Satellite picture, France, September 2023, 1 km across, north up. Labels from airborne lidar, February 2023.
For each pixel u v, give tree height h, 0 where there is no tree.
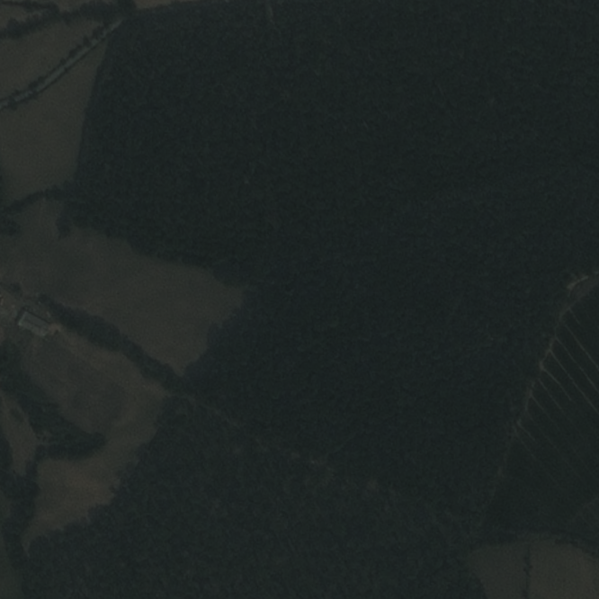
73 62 0
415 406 38
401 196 14
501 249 29
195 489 29
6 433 0
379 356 37
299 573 34
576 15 32
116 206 27
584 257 29
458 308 26
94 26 0
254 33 32
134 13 13
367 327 34
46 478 0
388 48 36
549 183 32
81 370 0
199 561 33
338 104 35
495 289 27
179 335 0
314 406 37
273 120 33
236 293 0
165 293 0
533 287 26
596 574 0
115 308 0
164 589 34
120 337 18
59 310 16
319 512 35
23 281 0
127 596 33
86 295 0
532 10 32
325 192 32
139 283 0
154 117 34
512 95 33
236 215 25
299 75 36
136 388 0
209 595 32
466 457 33
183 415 29
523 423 0
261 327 32
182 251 8
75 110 0
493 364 29
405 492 29
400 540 37
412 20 32
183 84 36
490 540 22
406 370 35
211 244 26
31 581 19
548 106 32
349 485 31
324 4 27
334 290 33
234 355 30
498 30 29
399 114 33
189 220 27
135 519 31
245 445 30
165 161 35
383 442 32
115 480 0
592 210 32
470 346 18
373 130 34
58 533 8
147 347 0
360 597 34
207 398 31
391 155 36
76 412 0
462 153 29
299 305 36
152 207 31
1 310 0
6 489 20
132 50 26
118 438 0
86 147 16
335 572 36
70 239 0
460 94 33
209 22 31
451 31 33
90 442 7
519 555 0
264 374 36
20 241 0
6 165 0
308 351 34
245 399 34
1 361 7
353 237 26
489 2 30
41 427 12
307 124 34
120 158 32
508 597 0
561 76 24
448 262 28
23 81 0
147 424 0
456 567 21
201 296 0
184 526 33
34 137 0
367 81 36
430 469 34
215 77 25
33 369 0
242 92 39
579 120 24
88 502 0
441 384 34
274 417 30
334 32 35
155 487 32
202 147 36
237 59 36
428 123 33
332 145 36
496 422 30
